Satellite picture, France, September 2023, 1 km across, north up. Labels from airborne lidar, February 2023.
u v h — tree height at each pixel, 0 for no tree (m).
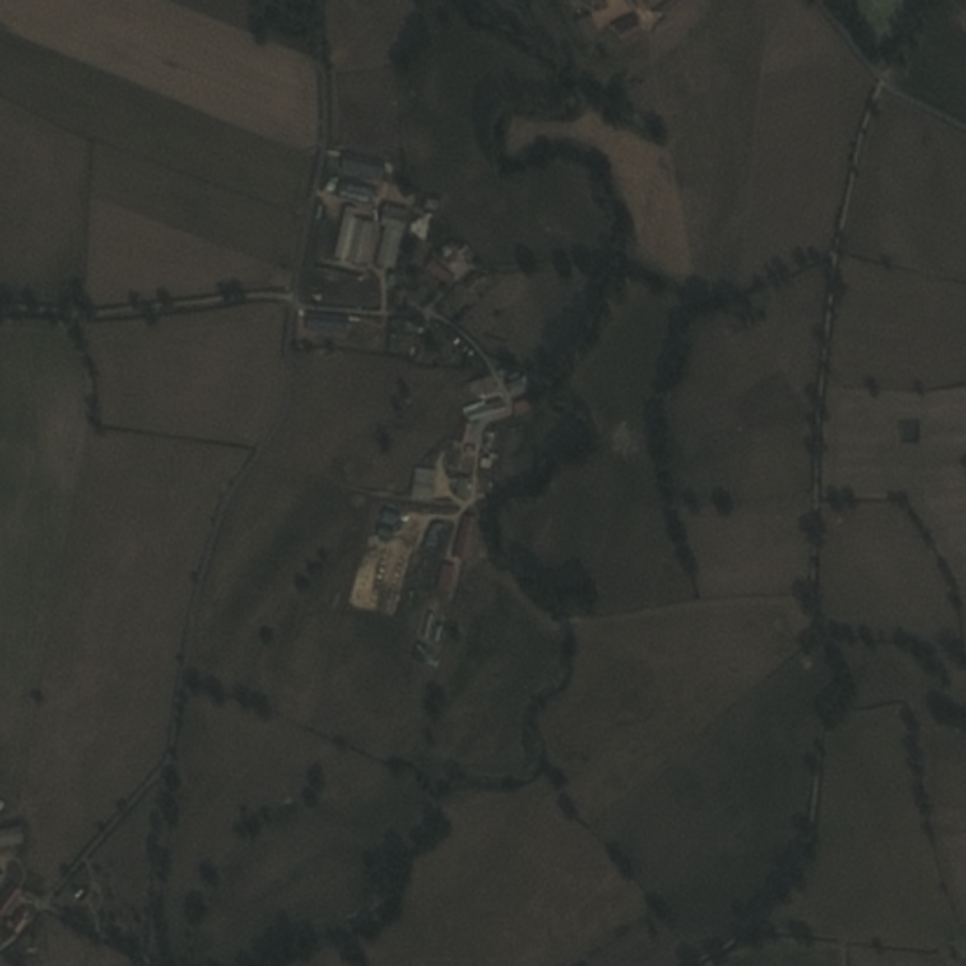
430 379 0
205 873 16
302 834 0
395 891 11
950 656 20
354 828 0
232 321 0
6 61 0
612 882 0
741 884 0
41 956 0
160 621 0
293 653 0
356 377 0
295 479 0
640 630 0
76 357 0
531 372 14
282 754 0
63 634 0
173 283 0
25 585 0
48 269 0
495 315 0
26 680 0
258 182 0
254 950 14
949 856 0
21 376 0
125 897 0
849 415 0
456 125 0
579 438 32
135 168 0
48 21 0
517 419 0
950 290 0
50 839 0
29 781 0
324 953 0
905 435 0
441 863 0
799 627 0
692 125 0
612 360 0
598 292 19
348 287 0
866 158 0
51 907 0
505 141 0
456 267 0
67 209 0
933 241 0
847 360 0
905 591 0
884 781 0
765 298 0
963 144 0
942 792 0
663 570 0
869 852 0
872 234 0
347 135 0
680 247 0
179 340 0
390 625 0
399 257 6
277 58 0
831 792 0
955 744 0
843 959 0
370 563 0
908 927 0
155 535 0
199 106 0
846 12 9
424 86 0
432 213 0
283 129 0
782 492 0
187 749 0
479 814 0
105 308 0
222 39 0
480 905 0
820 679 0
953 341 0
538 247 0
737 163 0
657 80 0
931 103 0
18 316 12
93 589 0
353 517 0
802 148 0
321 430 0
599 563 0
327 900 0
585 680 0
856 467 0
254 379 0
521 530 0
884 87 0
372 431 0
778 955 0
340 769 0
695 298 24
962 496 0
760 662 0
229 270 0
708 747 0
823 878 0
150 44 0
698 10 0
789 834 0
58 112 0
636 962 0
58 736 0
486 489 0
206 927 0
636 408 0
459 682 0
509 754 0
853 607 0
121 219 0
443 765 0
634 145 0
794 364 0
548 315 0
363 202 0
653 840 0
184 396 0
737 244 0
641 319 0
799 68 0
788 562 0
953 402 0
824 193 0
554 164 0
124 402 0
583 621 0
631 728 0
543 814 0
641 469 0
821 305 0
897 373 0
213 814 0
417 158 0
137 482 0
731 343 0
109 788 0
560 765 0
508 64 0
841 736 0
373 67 0
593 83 14
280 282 0
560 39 0
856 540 0
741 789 0
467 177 0
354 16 0
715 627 0
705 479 0
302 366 0
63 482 0
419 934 0
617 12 0
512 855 0
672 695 0
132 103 0
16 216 0
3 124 0
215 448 0
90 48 0
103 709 0
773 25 0
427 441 0
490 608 0
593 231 0
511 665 0
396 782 0
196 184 0
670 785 0
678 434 0
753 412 0
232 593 0
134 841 0
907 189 0
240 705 15
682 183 0
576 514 0
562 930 0
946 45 0
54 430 0
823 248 0
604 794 0
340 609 0
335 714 0
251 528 0
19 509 0
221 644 0
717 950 14
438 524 0
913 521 9
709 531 0
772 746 0
